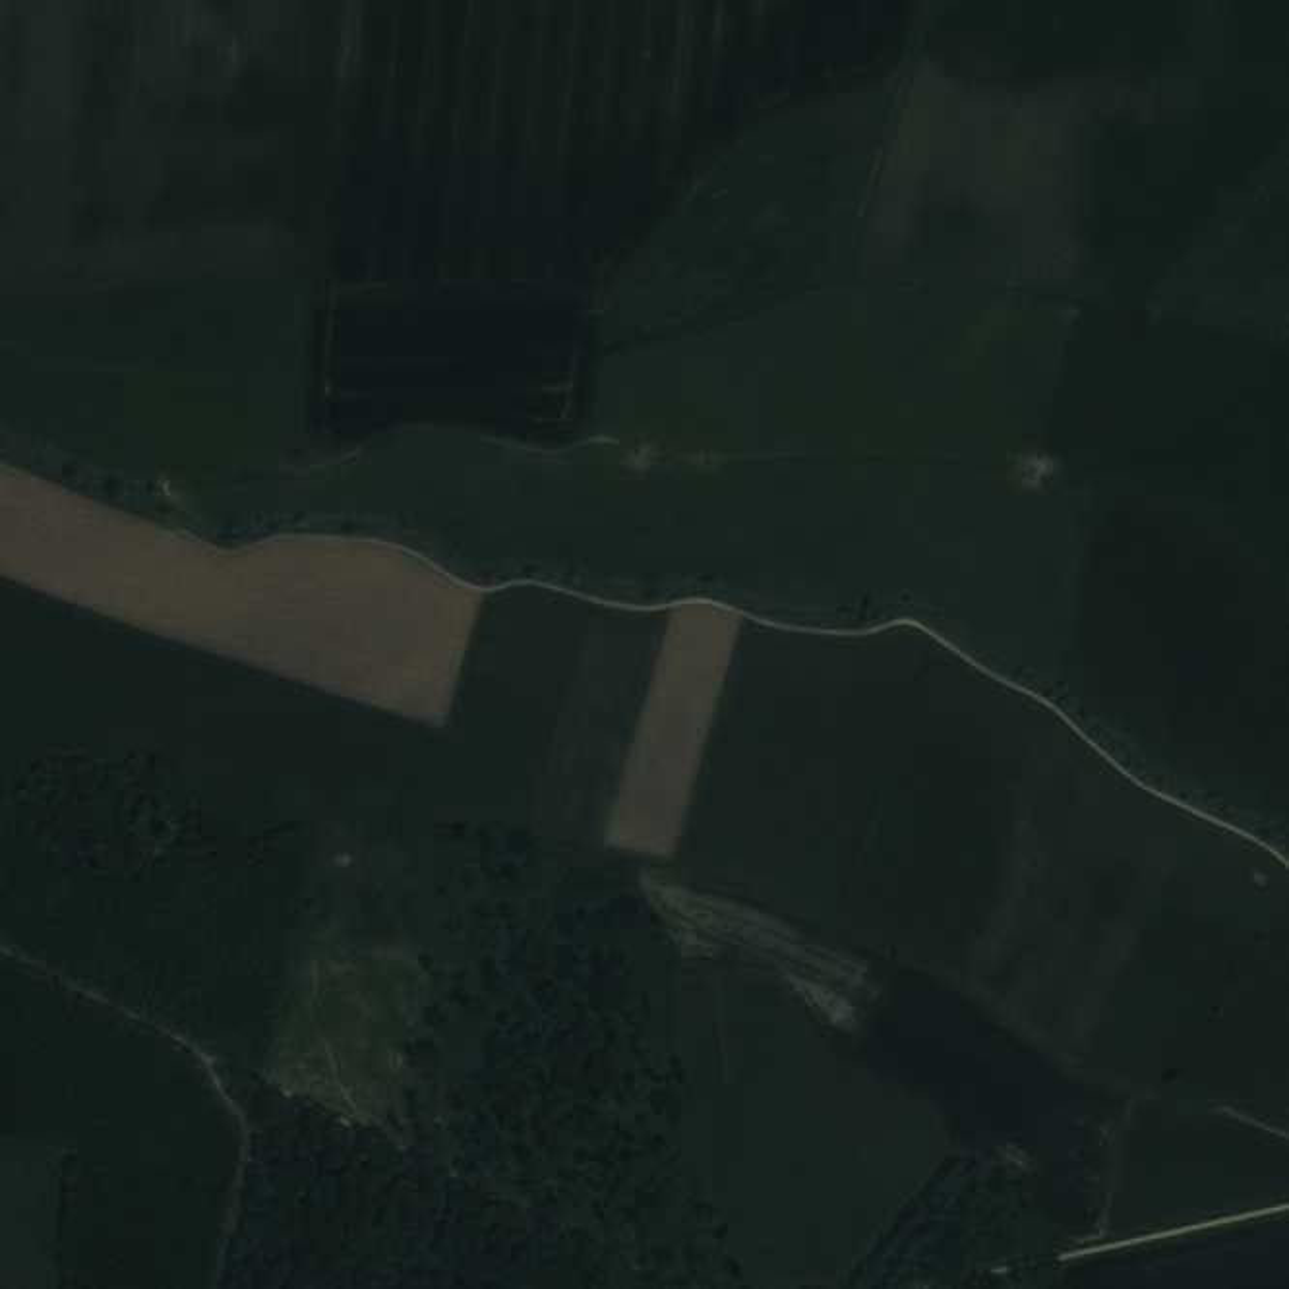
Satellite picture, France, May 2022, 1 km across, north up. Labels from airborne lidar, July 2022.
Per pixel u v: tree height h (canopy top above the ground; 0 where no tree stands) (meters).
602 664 0
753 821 0
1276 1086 0
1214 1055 0
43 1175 0
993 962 0
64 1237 10
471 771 0
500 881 29
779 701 0
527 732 0
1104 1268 0
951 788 0
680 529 0
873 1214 0
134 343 0
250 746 0
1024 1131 0
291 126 0
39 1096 10
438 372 0
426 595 0
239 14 0
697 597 0
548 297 0
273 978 13
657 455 0
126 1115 9
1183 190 0
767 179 0
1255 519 0
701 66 0
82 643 0
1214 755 0
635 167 0
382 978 0
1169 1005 0
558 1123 28
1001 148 0
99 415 0
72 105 0
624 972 26
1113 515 0
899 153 0
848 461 0
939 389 0
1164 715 0
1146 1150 0
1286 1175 0
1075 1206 0
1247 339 0
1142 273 0
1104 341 0
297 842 15
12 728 0
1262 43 0
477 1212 26
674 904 0
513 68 0
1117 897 0
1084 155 0
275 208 0
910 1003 0
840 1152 0
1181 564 0
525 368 0
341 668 0
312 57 0
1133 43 0
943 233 0
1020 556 0
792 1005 0
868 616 7
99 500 0
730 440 0
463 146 0
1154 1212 0
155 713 0
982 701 0
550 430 0
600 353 0
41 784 19
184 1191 14
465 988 25
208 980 11
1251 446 0
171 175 0
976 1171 18
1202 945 0
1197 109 0
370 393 0
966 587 0
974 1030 0
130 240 0
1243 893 0
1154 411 0
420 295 0
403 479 0
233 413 0
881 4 0
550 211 0
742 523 0
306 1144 25
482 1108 0
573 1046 28
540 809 0
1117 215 0
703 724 0
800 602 0
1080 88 0
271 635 0
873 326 0
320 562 0
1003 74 0
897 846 0
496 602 0
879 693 0
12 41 0
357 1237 24
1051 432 0
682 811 0
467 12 0
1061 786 0
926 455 0
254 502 0
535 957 30
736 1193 0
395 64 0
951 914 0
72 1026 13
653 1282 20
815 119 0
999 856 0
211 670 0
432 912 0
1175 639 0
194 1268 14
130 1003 12
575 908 0
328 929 0
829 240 0
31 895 14
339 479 0
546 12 0
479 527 0
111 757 0
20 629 0
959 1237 29
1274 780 0
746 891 0
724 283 0
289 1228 30
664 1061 0
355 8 0
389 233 0
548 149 0
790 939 0
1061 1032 0
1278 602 0
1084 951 0
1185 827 0
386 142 0
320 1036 0
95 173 0
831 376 0
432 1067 28
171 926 13
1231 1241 0
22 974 11
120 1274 16
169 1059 12
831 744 0
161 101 0
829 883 0
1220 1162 0
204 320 0
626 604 0
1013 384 0
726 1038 0
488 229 0
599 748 0
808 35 0
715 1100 0
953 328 0
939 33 0
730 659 0
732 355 0
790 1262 0
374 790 0
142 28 0
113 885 14
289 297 0
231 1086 19
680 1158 25
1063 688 11
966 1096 0
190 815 7
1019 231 0
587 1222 0
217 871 14
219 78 0
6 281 0
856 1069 0
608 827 0
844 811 0
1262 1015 0
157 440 0
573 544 0
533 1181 29
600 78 0
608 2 0
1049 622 0
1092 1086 0
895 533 0
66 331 0
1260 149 0
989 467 0
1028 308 0
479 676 0
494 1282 28
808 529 0
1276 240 0
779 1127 0
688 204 0
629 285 0
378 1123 0
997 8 0
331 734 0
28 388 0
